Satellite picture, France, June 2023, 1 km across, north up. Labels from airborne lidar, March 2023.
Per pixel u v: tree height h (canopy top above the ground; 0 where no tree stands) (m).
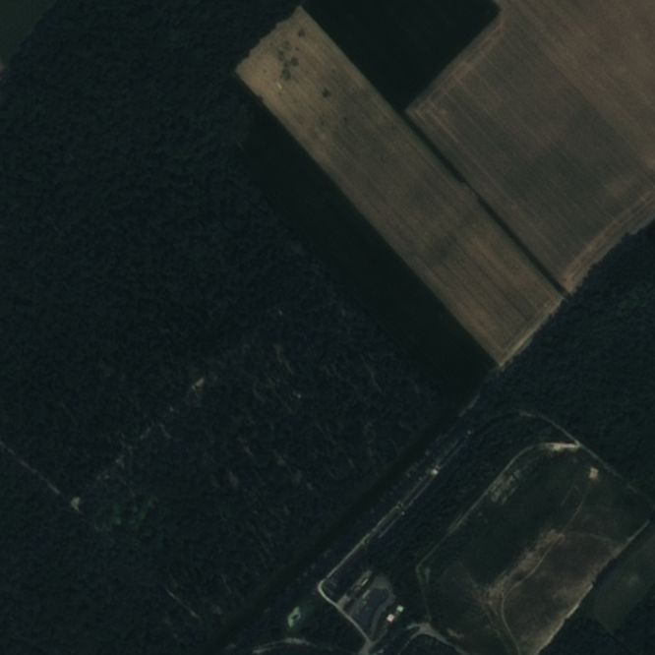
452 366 0
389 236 0
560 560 0
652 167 0
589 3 0
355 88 0
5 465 22
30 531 23
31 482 25
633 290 21
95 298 23
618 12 0
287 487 30
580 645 21
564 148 0
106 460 25
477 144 0
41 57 21
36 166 18
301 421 26
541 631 0
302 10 0
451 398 0
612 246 0
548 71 0
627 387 11
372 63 0
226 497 26
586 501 0
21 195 26
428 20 0
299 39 0
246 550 31
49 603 27
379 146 0
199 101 22
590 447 5
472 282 0
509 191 0
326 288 27
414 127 0
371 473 23
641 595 0
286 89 0
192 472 28
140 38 26
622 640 10
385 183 0
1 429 24
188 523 30
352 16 0
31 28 0
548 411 6
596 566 0
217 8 26
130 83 25
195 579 24
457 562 0
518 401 12
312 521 29
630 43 0
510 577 0
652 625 20
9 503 14
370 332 23
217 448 26
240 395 21
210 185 27
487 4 0
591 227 0
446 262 0
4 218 29
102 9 26
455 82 0
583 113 0
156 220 26
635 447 11
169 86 21
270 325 29
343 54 0
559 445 0
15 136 26
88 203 23
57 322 21
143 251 29
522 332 0
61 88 28
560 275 0
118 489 20
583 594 0
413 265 0
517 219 0
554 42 0
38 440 31
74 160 23
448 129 0
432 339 0
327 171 0
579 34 0
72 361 22
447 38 0
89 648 25
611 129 0
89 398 26
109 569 17
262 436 28
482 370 0
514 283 0
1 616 15
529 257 0
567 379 17
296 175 0
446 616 0
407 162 0
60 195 7
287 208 0
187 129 23
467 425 11
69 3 21
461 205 0
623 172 0
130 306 15
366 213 0
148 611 22
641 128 0
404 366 26
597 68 0
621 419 19
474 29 0
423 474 10
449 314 0
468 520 6
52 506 25
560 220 0
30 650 25
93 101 24
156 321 24
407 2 0
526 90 0
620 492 0
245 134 0
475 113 0
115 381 22
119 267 24
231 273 28
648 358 9
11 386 27
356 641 14
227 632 0
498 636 0
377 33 0
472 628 0
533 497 0
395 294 0
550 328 13
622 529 0
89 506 22
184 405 26
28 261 23
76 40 25
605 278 10
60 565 21
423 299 0
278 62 0
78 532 22
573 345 11
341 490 30
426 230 0
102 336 27
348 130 0
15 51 0
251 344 29
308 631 6
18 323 24
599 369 11
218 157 22
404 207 0
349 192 0
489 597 0
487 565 0
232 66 15
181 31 23
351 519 0
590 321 7
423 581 0
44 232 27
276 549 27
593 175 0
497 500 0
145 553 24
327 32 0
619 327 10
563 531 0
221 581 27
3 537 11
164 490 26
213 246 33
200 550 25
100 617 20
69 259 21
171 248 30
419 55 0
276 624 13
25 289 20
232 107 16
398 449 23
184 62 25
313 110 0
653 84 0
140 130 24
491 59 0
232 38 25
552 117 0
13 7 0
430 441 0
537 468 0
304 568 0
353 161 0
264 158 0
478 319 0
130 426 23
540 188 0
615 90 0
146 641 21
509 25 0
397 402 24
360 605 0
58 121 22
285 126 0
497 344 0
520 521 0
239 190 21
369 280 0
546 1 0
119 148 22
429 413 21
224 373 25
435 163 0
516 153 0
